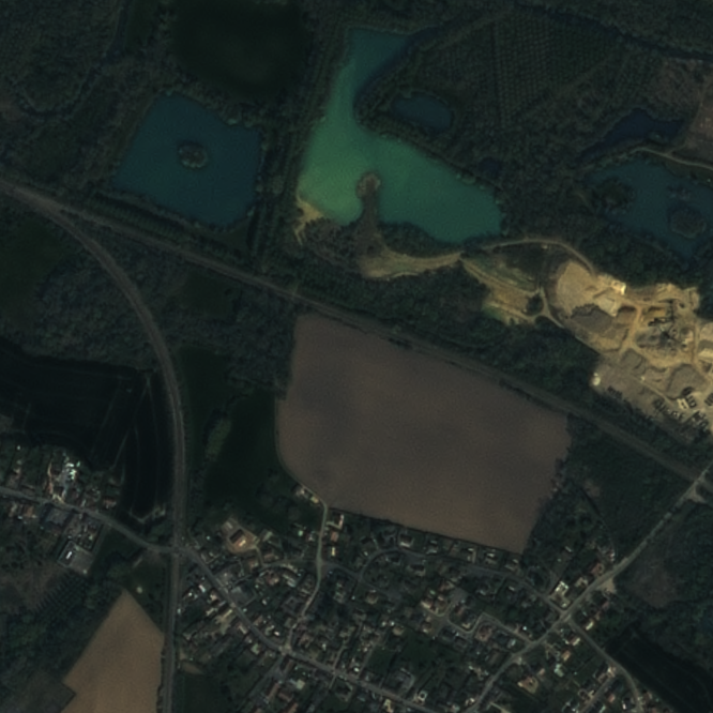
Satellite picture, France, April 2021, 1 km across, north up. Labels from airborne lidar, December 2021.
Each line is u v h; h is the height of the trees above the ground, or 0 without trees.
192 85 19
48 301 24
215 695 0
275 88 0
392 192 0
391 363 0
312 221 0
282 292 0
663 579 0
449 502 0
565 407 0
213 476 0
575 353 26
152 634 0
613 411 14
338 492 0
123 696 0
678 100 27
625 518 6
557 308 0
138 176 0
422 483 0
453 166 7
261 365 29
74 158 6
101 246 11
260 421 0
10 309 0
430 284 16
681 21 9
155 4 0
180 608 0
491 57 7
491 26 8
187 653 0
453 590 0
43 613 21
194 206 0
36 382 0
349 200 0
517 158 8
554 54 0
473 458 0
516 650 0
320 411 0
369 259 0
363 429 0
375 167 0
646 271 22
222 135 0
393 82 18
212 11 0
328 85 16
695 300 0
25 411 0
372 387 0
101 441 0
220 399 0
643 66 30
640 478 8
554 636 0
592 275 0
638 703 0
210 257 9
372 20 21
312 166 0
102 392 0
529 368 15
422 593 0
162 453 0
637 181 0
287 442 0
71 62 17
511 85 0
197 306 0
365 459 0
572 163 19
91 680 0
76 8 31
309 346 0
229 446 0
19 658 19
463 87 26
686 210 18
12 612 0
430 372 0
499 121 7
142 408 0
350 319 0
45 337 14
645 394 0
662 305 0
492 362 10
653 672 0
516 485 0
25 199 0
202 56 0
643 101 20
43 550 6
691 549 8
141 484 0
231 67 0
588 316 0
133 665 0
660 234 0
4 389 0
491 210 0
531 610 8
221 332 23
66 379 0
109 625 0
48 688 0
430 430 0
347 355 0
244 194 0
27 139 13
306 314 12
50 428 0
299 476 0
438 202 0
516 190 14
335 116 0
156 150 0
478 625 0
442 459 0
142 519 0
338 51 19
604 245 24
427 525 0
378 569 6
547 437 0
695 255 11
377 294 16
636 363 0
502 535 0
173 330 23
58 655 23
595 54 0
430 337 8
